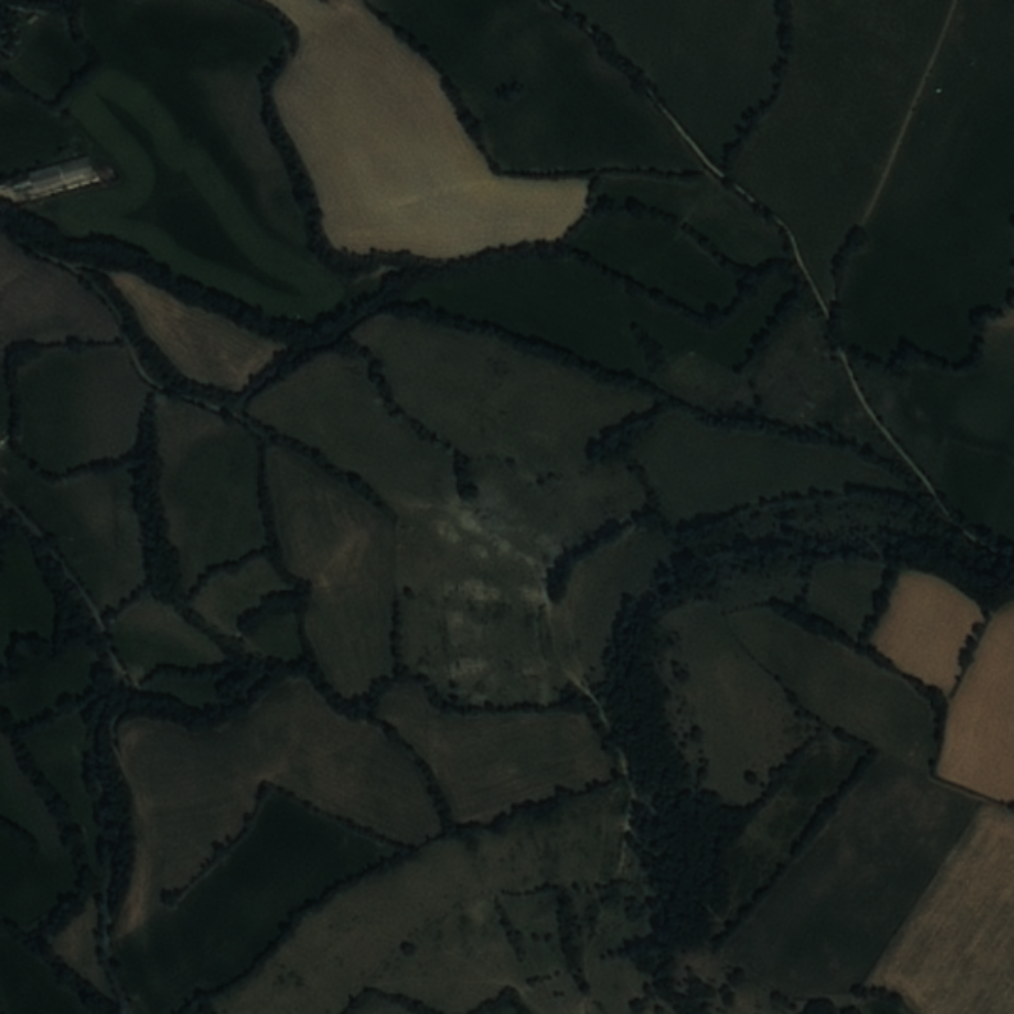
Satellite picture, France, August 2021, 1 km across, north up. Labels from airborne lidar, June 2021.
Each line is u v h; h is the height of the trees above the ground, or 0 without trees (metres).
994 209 0
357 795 0
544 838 0
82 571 0
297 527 0
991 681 0
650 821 10
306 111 0
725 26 0
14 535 12
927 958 0
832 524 0
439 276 7
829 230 0
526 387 0
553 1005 0
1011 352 0
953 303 0
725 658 0
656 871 16
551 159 0
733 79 0
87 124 0
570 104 0
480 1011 7
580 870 0
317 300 0
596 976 0
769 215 14
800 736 0
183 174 0
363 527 0
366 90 0
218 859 9
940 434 0
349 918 0
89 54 10
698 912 14
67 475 6
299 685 0
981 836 0
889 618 0
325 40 0
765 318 0
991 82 0
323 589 0
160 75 0
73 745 0
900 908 0
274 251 0
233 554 0
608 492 0
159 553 16
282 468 0
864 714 0
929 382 0
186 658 0
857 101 0
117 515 0
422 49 8
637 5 0
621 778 11
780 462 0
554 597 12
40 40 0
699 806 12
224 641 7
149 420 7
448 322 13
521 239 0
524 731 0
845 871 0
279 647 0
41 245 12
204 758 0
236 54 0
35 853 15
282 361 8
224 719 10
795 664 0
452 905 0
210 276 0
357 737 0
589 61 0
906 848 0
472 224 0
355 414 0
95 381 0
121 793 15
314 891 0
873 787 0
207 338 0
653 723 13
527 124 0
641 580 0
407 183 0
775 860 0
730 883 7
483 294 0
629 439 9
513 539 0
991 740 0
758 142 0
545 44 0
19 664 15
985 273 0
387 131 0
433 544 0
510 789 0
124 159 0
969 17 0
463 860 0
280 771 0
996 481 0
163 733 0
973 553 8
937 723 8
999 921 0
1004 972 0
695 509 0
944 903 0
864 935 0
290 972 0
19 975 0
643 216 14
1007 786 0
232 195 0
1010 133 0
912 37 0
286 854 0
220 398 7
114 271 9
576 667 0
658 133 0
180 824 0
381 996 7
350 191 0
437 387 0
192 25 0
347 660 0
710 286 0
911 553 15
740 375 10
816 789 0
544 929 0
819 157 0
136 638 0
